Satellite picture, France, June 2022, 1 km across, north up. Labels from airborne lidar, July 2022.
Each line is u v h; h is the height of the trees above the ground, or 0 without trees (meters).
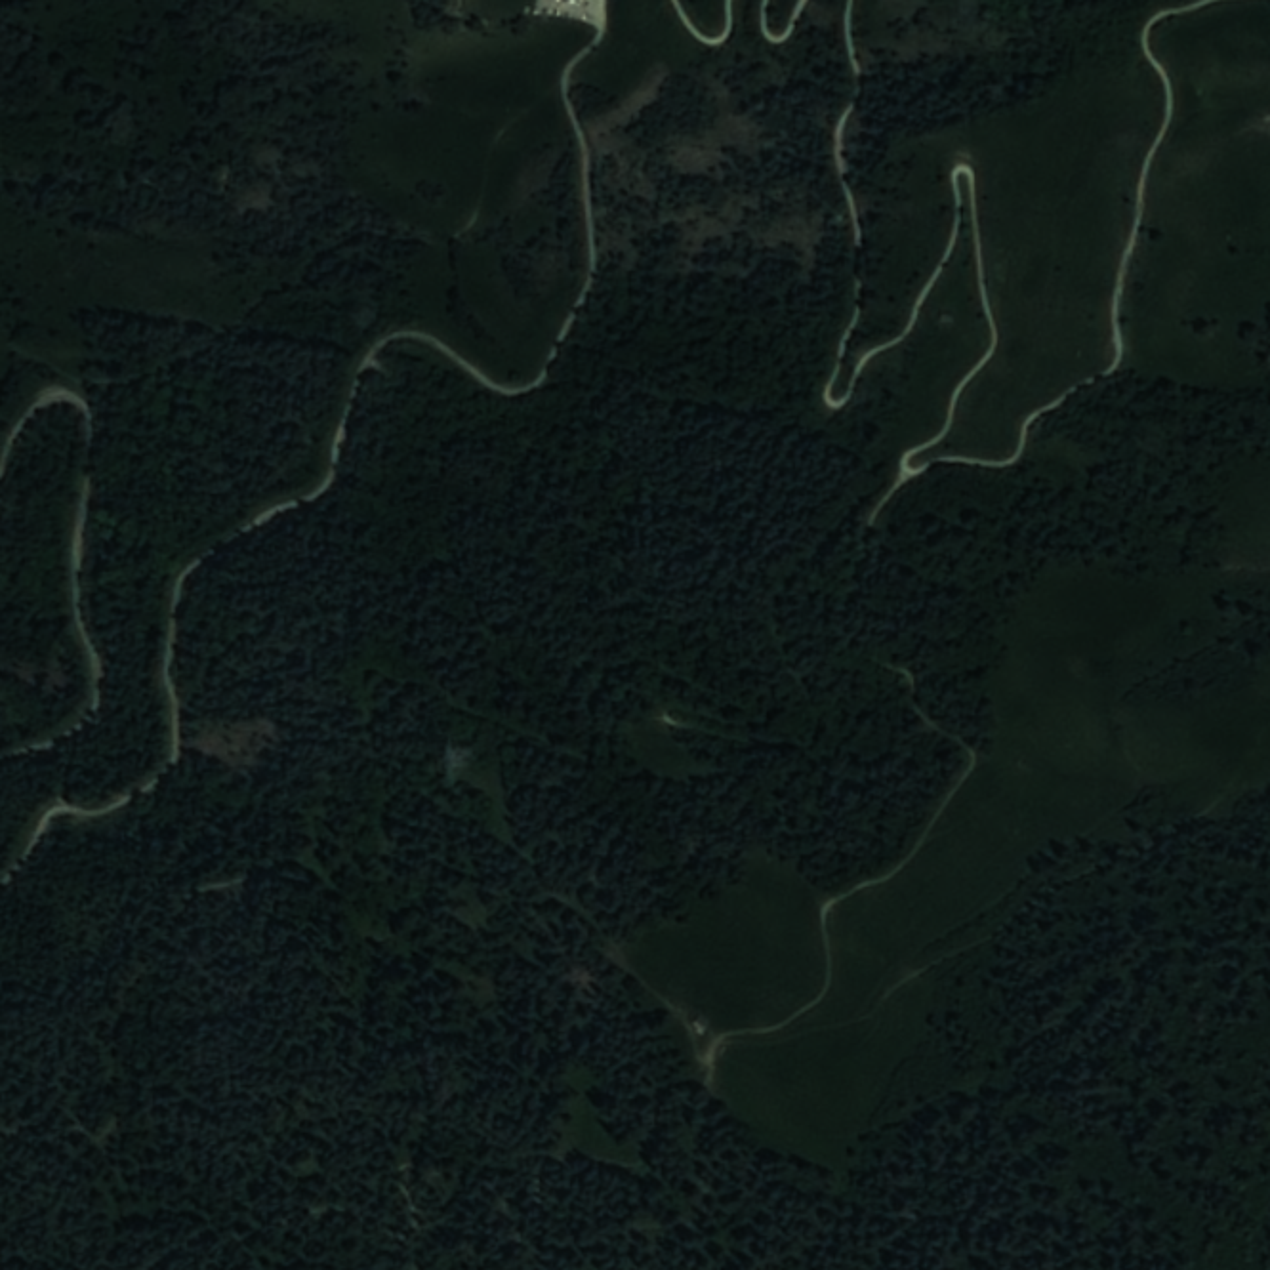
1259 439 15
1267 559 0
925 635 16
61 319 0
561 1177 23
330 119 9
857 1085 0
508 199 0
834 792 17
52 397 0
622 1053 32
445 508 12
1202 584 0
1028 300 0
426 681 9
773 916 0
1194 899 7
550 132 0
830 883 9
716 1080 0
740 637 25
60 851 15
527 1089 33
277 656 25
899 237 0
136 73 12
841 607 16
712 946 0
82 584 10
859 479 13
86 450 15
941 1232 19
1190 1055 9
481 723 11
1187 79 0
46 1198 14
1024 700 0
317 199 13
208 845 12
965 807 0
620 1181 24
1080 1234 22
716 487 22
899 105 23
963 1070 8
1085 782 0
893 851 6
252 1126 25
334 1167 30
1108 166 0
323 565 21
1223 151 0
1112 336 0
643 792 21
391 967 7
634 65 0
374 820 14
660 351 12
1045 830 0
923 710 11
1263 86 0
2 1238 10
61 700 17
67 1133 10
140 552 10
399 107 6
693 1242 31
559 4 0
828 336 10
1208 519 13
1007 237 0
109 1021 6
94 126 19
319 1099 20
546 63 0
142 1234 27
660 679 11
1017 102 16
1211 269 0
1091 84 0
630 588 27
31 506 17
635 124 6
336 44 8
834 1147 0
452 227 0
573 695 10
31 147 7
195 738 9
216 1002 10
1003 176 0
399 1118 20
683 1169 20
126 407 17
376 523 8
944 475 11
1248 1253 8
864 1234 23
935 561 8
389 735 19
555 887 22
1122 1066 11
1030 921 10
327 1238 11
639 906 29
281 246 14
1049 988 13
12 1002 11
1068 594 0
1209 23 0
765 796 16
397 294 16
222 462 17
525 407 11
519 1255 24
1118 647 0
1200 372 0
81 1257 22
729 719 24
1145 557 8
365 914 7
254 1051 19
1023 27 10
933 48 0
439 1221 8
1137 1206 6
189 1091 13
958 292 0
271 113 18
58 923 11
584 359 16
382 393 11
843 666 18
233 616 12
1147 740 0
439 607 7
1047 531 13
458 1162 12
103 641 7
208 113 19
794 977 0
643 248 15
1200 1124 17
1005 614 7
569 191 12
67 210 9
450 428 13
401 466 10
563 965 23
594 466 10
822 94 17
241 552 13
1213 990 5
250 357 21
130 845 10
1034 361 0
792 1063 0
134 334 22
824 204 6
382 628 17
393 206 0
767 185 10
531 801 24
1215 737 0
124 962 11
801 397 13
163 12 6
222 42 14
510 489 10
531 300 9
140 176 16
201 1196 11
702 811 29
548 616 21
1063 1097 26
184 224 14
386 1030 12
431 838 20
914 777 23
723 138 0
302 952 30
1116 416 11
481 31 15
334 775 19
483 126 0
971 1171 14
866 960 0
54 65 15
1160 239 16
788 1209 24
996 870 0
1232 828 7
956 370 0
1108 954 16
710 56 8
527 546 9
